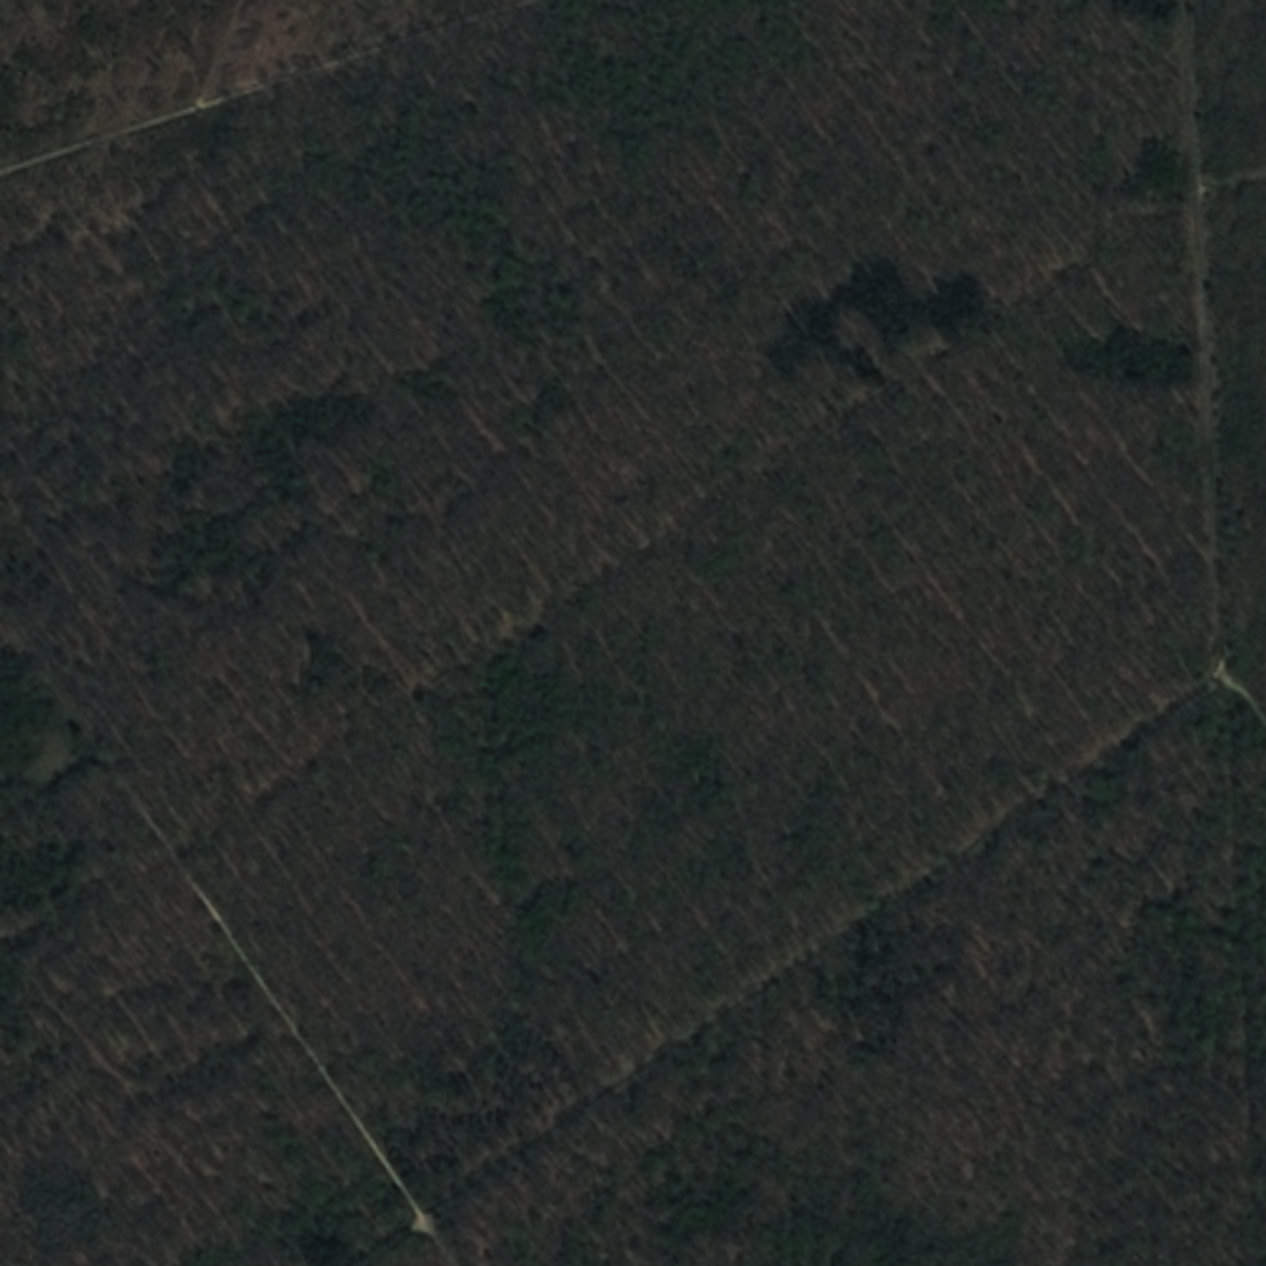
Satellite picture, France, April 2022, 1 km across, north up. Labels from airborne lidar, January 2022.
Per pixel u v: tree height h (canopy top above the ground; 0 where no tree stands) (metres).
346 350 22
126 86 0
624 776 22
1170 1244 26
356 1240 22
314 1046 24
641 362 21
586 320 22
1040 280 21
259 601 20
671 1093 23
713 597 17
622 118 25
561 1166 26
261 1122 24
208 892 24
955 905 24
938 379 20
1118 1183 24
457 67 25
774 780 22
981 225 23
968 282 15
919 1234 18
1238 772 21
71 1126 23
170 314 21
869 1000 33
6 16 32
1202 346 18
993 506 22
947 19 23
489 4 0
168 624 26
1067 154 24
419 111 22
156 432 24
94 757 0
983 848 0
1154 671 0
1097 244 24
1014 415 22
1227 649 0
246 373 25
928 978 22
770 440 21
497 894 25
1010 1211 22
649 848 24
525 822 25
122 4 31
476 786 24
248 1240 27
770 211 22
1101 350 8
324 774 19
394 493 24
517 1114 29
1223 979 22
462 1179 26
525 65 26
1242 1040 25
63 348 27
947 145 23
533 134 27
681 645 0
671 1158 22
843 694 22
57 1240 16
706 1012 21
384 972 24
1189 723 21
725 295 15
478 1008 25
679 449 23
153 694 25
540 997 23
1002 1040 30
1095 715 26
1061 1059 29
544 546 0
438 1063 25
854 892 23
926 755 19
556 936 22
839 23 22
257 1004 24
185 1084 12
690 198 19
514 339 25
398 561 20
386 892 25
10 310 28
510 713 21
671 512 22
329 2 0
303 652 24
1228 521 17
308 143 20
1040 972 17
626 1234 22
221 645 25
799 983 20
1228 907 26
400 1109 24
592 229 24
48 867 16
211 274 26
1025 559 0
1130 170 15
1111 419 23
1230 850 24
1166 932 23
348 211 24
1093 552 26
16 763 0
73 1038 27
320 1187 22
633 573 23
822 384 16
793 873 17
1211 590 27
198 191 23
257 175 23
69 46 6
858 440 18
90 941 25
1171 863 25
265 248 26
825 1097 16
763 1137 21
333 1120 22
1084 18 21
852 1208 23
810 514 23
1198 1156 28
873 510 22
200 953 24
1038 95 21
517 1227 27
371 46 0
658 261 19
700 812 21
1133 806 24
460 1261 23
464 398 20
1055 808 17
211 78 0
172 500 7
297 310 23
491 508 24
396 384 21
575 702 21
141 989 25
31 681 25
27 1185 15
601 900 26
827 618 23
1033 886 20
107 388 28
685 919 23
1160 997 22
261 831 24
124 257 26
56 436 29
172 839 26
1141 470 23
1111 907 26
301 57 0
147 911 24
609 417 24
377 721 20
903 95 0
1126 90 19
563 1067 28
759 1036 24
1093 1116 26
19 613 21
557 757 25
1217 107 7
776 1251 17
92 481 0
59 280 29
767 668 16
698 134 20
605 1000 23
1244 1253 26
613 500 0
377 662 20
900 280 22
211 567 8
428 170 21
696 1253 27
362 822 24
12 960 17
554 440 25
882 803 26
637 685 17
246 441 8
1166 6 18
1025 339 23
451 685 21
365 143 21
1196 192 0
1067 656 20
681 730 22
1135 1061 23
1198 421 20
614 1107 25
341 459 25
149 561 8
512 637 0
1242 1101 26
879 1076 28
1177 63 20
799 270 23
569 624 21
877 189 22
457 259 24
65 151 0
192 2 6
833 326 23
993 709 23
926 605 18
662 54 22
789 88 19
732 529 23
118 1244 24
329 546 24
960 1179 24
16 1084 9
